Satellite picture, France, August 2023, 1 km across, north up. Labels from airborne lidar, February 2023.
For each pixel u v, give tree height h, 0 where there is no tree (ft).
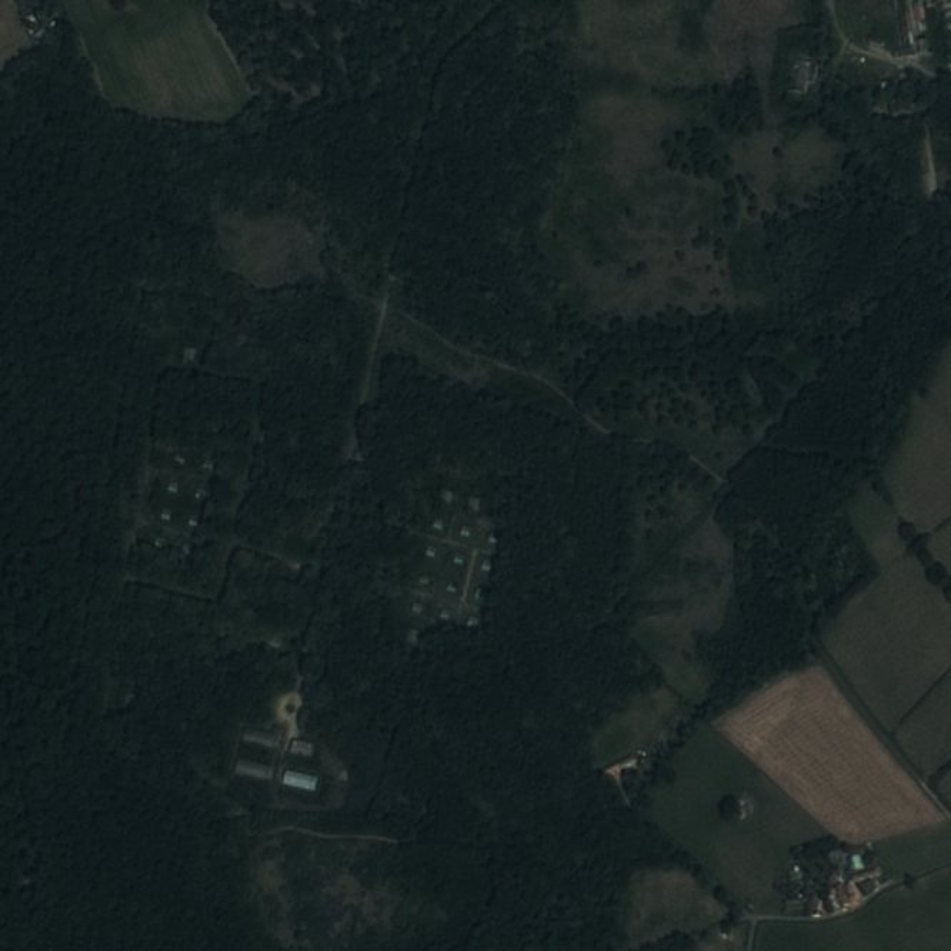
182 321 60
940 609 0
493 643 80
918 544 32
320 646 55
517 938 80
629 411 30
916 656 0
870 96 63
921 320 58
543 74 80
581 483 53
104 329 64
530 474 83
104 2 0
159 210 68
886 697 0
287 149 64
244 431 68
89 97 66
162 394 60
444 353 0
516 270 71
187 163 67
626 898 39
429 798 30
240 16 75
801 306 35
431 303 73
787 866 0
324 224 55
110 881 79
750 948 0
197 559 62
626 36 0
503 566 67
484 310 68
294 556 0
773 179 0
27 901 70
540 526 80
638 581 22
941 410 0
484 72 71
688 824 0
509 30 59
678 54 0
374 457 73
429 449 74
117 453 57
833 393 59
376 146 70
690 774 0
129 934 82
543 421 79
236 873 60
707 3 0
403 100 82
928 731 0
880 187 25
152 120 35
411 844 26
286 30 73
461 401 75
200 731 78
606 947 58
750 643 41
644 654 41
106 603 69
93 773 79
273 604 65
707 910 0
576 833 60
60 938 75
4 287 69
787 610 70
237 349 58
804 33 30
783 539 47
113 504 66
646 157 0
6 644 63
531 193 58
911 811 0
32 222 53
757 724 0
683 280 0
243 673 83
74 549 82
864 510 0
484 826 55
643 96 0
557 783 69
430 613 0
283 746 0
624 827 68
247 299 42
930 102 64
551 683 91
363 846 0
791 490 55
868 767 0
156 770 62
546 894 73
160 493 27
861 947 0
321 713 65
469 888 33
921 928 0
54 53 59
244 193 68
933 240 68
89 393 68
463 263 75
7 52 0
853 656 0
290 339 67
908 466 0
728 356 57
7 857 83
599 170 0
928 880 0
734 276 0
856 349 65
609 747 0
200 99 0
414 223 72
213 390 63
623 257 0
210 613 54
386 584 63
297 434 65
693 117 0
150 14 0
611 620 18
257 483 34
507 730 81
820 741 0
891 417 55
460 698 74
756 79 24
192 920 76
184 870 71
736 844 0
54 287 55
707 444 0
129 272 64
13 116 65
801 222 50
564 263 0
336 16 83
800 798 0
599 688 75
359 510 74
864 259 59
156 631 59
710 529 0
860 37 0
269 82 66
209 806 73
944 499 0
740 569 23
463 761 72
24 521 81
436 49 40
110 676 39
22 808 87
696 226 0
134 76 0
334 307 62
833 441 49
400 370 70
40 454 76
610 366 69
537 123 77
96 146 67
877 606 0
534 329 75
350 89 67
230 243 0
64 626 72
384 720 40
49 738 81
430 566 0
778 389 18
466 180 77
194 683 77
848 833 0
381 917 0
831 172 0
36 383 81
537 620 81
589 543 52
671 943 46
